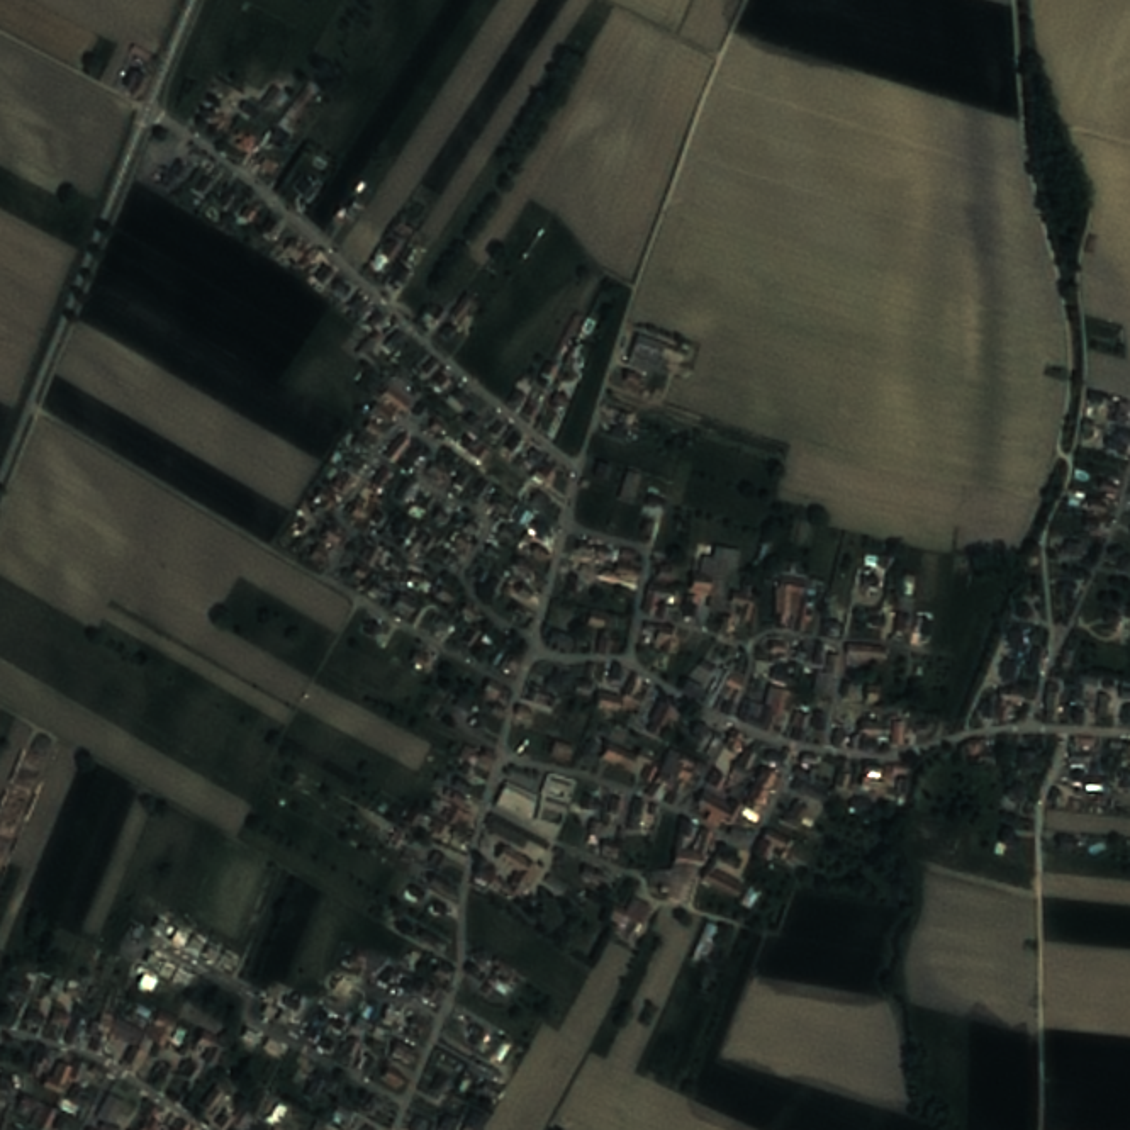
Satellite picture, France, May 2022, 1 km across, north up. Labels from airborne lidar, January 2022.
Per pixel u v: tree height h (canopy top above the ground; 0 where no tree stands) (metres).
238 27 0
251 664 0
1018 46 0
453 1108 0
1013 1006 0
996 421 0
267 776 0
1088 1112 0
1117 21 0
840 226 0
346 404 0
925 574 0
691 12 0
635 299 0
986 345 0
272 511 0
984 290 0
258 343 0
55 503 0
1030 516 0
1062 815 0
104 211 0
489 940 0
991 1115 0
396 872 0
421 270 0
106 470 0
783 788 0
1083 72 0
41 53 0
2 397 0
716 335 0
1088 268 0
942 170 0
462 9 0
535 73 0
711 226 0
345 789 0
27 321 0
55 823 0
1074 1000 0
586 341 8
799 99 0
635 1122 0
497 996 0
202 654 0
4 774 0
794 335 0
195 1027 0
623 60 0
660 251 0
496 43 0
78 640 0
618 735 0
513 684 0
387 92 0
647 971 0
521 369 0
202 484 0
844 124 0
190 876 0
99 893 0
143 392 0
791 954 0
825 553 0
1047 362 0
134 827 0
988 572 16
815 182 0
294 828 0
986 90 0
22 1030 0
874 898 14
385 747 0
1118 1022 0
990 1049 0
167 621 0
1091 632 0
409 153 0
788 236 0
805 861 0
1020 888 0
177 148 0
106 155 0
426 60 0
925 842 0
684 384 0
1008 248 0
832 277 0
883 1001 0
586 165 0
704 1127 0
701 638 0
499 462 0
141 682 0
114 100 0
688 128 0
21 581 0
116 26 0
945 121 0
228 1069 9
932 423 0
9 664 0
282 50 0
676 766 0
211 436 0
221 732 0
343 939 0
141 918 0
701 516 7
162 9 0
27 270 0
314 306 0
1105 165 0
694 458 0
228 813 0
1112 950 0
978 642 0
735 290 0
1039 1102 0
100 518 0
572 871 0
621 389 0
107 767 0
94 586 0
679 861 0
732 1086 0
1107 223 0
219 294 0
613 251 0
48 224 0
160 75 0
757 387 0
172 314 0
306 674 0
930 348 0
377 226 0
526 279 0
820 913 0
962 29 0
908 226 0
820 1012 0
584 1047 0
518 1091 0
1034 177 15
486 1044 0
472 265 0
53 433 0
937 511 0
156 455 0
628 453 0
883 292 0
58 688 0
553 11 0
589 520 0
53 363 0
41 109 0
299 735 0
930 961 0
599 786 0
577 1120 0
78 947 0
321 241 0
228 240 0
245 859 0
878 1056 0
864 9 0
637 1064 0
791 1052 0
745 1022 0
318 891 0
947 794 0
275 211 0
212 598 0
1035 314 0
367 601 0
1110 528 0
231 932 0
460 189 0
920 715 12
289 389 0
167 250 0
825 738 0
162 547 0
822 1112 0
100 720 0
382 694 0
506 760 0
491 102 0
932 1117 13
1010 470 0
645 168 0
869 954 0
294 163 6
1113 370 0
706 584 0
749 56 0
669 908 0
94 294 0
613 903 7
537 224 0
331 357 0
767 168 0
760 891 0
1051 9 0
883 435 0
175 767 0
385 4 0
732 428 0
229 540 0
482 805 0
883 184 0
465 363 0
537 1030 0
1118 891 0
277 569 0
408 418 0
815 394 0
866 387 0
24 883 0
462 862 0
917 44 0
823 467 0
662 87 0
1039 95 14
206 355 0
